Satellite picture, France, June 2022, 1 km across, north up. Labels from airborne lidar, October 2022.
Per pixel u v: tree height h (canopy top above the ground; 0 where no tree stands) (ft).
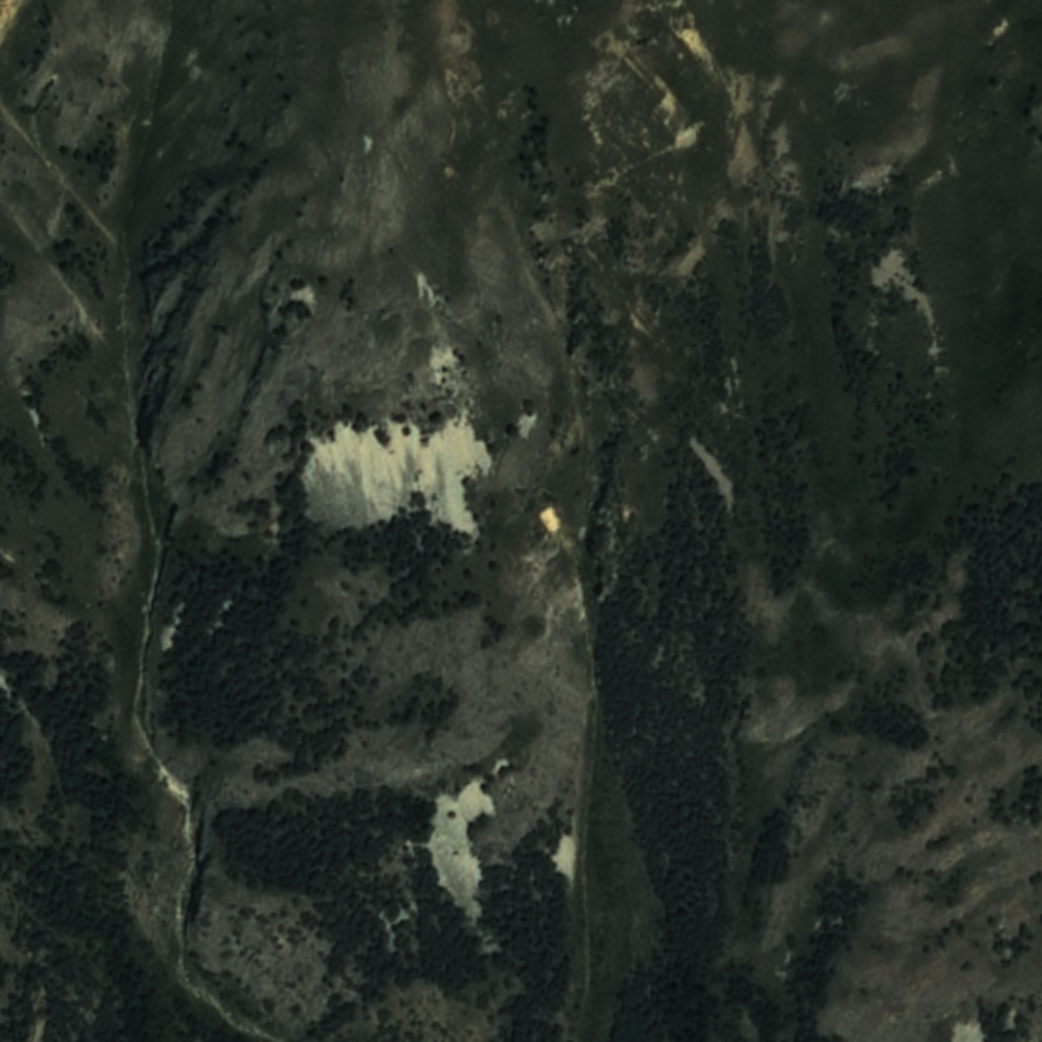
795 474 26
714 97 0
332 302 0
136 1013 55
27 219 0
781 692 0
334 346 0
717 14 0
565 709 0
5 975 44
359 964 28
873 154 0
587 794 0
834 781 0
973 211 0
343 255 0
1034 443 0
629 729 23
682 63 0
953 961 0
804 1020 36
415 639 0
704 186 0
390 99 0
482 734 0
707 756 41
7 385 0
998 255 0
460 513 0
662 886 45
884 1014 0
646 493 0
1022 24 0
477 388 0
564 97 0
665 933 38
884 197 26
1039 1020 0
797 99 0
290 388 0
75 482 24
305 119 0
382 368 0
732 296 0
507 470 0
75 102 25
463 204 0
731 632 30
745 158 0
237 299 0
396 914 46
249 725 47
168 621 32
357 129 0
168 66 0
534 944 53
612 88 0
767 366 0
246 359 0
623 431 22
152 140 0
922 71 0
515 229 0
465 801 0
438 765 0
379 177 0
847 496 0
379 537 41
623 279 0
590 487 0
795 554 29
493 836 0
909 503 0
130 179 0
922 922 0
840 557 0
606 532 20
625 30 0
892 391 34
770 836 40
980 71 0
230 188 0
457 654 0
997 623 47
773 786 0
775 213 0
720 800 27
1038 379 0
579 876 0
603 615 35
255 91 0
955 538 21
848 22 0
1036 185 0
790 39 0
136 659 0
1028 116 32
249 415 19
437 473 0
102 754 25
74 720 83
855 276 29
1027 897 0
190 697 34
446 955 48
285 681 45
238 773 0
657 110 0
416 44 0
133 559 0
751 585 0
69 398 0
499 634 30
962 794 0
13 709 45
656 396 0
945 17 0
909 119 0
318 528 23
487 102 0
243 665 40
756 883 30
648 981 42
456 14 0
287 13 0
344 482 0
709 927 32
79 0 0
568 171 22
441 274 0
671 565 48
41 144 0
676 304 17
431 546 55
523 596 0
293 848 46
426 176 0
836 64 0
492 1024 23
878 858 0
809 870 0
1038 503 54
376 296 0
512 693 0
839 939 23
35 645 0
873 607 0
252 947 0
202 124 0
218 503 0
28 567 0
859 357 36
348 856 35
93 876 38
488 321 0
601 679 25
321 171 0
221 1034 31
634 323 0
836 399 0
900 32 0
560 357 0
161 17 0
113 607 0
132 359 0
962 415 0
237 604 52
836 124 0
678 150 0
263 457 0
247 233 0
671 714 27
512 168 0
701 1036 38
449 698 30
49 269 0
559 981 44
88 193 0
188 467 0
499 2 0
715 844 50
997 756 0
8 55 0
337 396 0
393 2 0
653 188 0
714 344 25
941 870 0
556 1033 45
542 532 0
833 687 0
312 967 0
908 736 34
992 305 0
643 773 31
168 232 21
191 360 0
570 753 0
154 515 0
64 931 40
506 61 0
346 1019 37
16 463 58
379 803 26
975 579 24
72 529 0
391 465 0
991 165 0
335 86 0
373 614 31
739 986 28
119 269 0
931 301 0
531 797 0
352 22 0
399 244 0
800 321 0
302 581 0
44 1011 31
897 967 0
